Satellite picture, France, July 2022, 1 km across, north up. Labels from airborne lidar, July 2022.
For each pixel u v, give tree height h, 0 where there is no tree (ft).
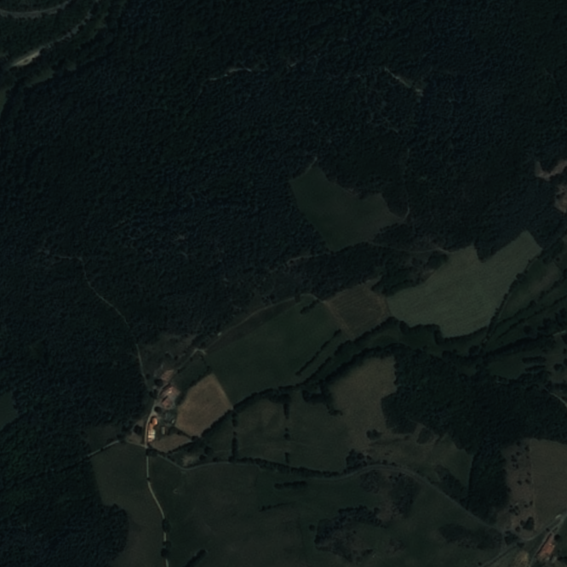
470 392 28
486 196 41
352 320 0
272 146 48
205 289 24
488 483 32
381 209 0
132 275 19
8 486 52
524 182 57
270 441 0
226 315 31
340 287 38
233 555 0
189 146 40
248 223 61
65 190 55
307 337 0
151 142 52
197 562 37
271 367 0
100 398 42
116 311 23
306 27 71
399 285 45
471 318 0
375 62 58
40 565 61
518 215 61
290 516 0
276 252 55
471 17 66
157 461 0
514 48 31
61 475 39
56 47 52
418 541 0
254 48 33
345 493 0
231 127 43
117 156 35
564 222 51
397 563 0
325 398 54
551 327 77
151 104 63
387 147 18
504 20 39
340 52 64
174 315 29
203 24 52
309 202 0
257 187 47
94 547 37
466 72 83
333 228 0
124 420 30
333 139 30
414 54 69
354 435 0
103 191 44
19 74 56
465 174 31
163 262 48
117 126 49
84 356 44
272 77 70
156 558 0
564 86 63
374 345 0
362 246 28
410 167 18
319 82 52
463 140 47
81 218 29
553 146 57
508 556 0
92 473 31
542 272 0
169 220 62
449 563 0
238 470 0
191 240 61
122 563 0
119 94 75
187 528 0
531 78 38
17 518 34
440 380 31
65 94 88
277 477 0
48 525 41
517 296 0
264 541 0
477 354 45
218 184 40
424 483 0
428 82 38
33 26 20
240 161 58
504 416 31
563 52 66
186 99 41
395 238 30
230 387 0
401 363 44
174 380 0
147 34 60
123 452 0
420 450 0
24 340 103
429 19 53
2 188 57
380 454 0
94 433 0
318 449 0
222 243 55
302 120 50
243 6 66
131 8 78
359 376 0
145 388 31
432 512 0
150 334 27
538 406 33
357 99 63
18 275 36
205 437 33
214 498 0
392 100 59
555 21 69
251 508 0
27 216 59
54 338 57
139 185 50
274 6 52
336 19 50
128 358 23
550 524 0
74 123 34
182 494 0
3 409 0
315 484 0
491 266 0
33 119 64
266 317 0
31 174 71
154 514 0
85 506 20
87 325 38
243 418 0
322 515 0
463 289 0
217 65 42
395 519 0
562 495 0
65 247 21
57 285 49
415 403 24
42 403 23
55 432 31
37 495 35
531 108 44
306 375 0
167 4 57
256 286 22
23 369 69
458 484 40
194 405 0
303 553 0
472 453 48
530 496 0
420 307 0
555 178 43
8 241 38
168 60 56
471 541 0
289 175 57
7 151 81
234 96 36
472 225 26
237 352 0
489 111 42
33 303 32
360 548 0
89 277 35
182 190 62
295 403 0
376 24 69
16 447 43
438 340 52
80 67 21
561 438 39
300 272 27
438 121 87
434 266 29
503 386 30
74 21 43
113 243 31
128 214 55
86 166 45
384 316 0
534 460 0
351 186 33
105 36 87
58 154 50
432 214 28
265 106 63
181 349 0
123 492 0
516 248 0
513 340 0
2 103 0
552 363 0
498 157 30
